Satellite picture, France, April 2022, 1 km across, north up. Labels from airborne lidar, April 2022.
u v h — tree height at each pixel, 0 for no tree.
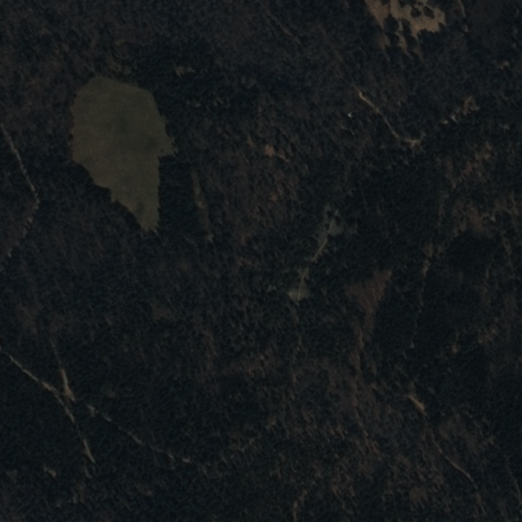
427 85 15
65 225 21
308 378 24
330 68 22
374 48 34
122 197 0
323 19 25
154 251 18
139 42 9
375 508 30
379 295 17
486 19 14
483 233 18
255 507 34
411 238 23
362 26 24
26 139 28
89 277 19
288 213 14
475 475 30
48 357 18
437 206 25
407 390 27
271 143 9
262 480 26
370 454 25
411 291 13
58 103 8
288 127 20
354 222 30
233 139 15
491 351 23
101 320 19
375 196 22
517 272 9
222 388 15
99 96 0
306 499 7
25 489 22
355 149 14
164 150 0
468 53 15
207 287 14
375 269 19
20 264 22
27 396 25
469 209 24
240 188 12
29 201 19
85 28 18
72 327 17
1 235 30
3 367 19
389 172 28
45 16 11
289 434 26
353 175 19
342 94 16
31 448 26
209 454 18
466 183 28
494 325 19
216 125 17
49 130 26
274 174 16
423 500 18
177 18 14
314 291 29
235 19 14
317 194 14
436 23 0
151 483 25
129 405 23
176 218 18
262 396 8
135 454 10
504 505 24
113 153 0
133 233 15
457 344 8
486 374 22
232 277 9
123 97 0
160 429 22
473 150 26
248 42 13
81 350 25
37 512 23
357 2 26
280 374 7
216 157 19
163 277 18
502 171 22
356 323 24
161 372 13
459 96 13
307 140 15
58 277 16
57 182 30
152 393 22
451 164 26
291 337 9
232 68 16
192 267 17
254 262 16
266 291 14
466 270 22
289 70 26
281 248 15
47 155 10
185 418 6
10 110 26
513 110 18
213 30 18
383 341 29
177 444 20
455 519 26
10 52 22
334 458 28
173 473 6
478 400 20
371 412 27
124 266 19
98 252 16
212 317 15
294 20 12
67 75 11
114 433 24
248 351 11
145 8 18
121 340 24
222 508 16
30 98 26
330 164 22
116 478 24
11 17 20
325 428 23
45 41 10
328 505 27
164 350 18
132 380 22
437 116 12
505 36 8
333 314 26
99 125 0
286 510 25
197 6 23
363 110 10
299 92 17
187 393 20
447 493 30
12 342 25
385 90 14
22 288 24
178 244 9
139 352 18
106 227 18
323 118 23
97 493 9
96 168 0
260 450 15
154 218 0
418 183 23
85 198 22
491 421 19
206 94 19
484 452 14
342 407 29
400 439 17
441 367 28
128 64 11
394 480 33
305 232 18
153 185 0
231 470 23
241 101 19
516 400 32
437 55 14
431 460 16
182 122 17
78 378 28
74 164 9
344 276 24
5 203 22
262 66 19
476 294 24
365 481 28
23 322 21
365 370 29
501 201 26
